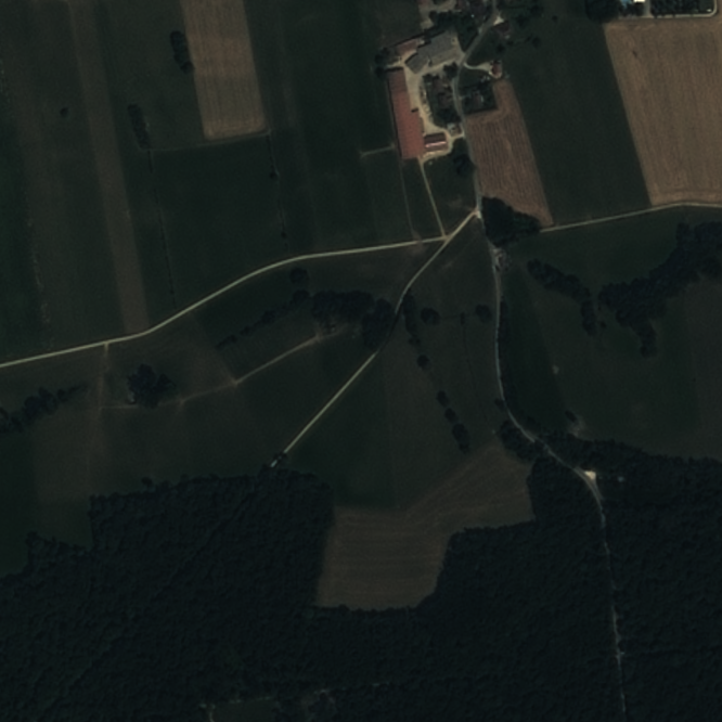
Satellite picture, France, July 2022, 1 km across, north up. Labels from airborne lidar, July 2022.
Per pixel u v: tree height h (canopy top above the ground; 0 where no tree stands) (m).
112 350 0
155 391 24
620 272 0
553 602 19
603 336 0
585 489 17
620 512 22
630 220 0
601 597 18
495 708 19
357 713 15
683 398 0
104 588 24
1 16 0
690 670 24
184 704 22
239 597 22
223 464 0
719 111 0
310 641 17
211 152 0
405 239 0
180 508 24
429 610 20
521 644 23
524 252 0
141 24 0
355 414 0
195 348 0
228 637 20
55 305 0
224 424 0
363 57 0
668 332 0
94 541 8
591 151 0
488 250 0
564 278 21
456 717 17
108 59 0
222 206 0
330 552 0
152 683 21
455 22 6
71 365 0
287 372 0
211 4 0
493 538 19
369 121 0
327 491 16
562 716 17
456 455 0
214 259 0
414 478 0
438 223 0
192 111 0
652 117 0
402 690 18
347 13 0
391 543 0
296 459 0
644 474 26
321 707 22
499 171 0
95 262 0
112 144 0
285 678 14
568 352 0
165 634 24
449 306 0
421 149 0
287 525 18
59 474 0
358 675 16
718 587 18
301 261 0
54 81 0
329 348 0
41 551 18
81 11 0
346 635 14
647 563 24
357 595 0
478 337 0
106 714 17
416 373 0
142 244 0
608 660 12
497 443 0
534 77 0
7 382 0
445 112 7
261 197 0
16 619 20
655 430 0
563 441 17
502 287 0
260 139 0
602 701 19
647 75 0
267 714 0
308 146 0
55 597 23
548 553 22
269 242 0
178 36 13
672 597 17
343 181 0
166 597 20
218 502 25
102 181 0
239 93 0
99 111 0
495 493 0
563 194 0
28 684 19
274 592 20
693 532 14
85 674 18
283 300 0
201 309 0
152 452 0
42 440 0
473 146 0
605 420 0
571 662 16
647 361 0
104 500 16
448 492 0
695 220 0
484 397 0
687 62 0
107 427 0
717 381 0
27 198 0
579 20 0
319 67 0
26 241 0
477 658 17
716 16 0
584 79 0
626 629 14
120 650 23
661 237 0
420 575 0
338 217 0
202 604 15
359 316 14
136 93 0
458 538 12
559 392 0
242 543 18
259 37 0
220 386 0
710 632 26
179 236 0
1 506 0
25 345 0
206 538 15
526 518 0
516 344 0
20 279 0
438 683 21
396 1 0
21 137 0
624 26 0
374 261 0
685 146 0
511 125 0
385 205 0
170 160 0
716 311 0
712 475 20
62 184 0
